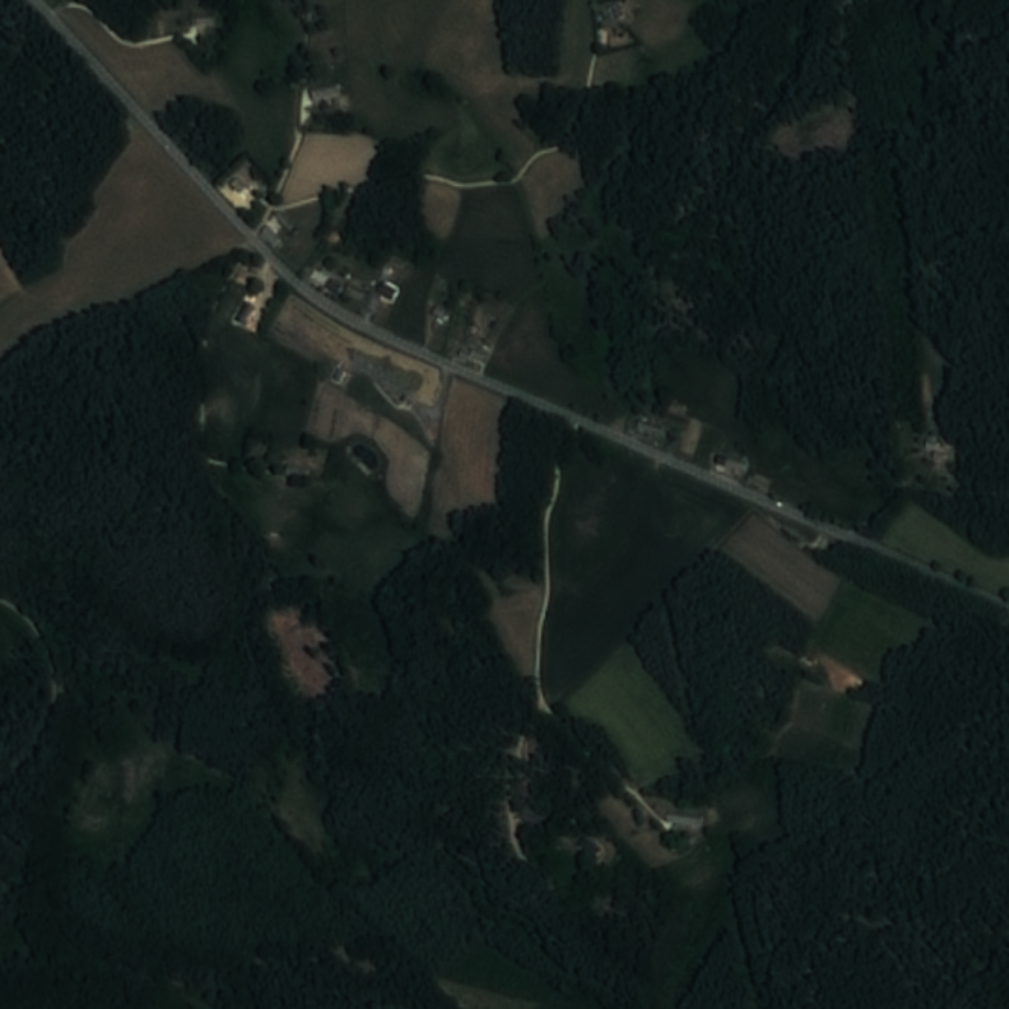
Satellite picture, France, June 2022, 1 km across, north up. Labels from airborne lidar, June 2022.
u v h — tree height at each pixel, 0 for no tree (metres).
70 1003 17
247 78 0
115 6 19
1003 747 10
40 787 24
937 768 22
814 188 28
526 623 0
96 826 0
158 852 18
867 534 18
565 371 0
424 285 0
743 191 35
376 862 14
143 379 34
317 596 21
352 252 9
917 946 10
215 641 18
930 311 23
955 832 22
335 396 0
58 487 23
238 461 16
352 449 0
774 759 11
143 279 0
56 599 17
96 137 11
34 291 0
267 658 29
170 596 23
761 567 0
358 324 0
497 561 20
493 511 12
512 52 23
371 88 0
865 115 11
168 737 20
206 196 0
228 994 18
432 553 16
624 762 15
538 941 13
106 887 17
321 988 27
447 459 0
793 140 0
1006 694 25
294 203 0
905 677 19
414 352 0
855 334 28
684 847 15
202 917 18
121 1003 12
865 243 35
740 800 0
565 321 0
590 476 0
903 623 0
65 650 23
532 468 17
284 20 0
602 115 23
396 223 21
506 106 0
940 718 20
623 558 0
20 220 12
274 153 0
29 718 21
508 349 0
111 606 23
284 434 0
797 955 20
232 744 24
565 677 0
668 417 9
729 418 0
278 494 0
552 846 9
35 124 17
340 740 25
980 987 25
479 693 21
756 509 0
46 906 18
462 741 13
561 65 13
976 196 31
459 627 10
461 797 14
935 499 20
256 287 23
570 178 0
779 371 16
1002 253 30
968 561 0
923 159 28
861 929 21
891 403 21
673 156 27
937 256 26
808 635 15
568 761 17
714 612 21
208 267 10
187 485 28
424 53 0
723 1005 18
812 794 18
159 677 18
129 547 20
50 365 26
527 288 0
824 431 17
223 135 12
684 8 0
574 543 0
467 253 0
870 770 19
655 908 10
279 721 17
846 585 0
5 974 15
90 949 17
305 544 0
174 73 0
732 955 20
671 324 10
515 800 14
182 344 25
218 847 15
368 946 21
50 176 16
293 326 0
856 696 18
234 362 0
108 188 0
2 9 28
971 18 14
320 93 0
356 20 0
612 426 0
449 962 21
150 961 17
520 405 20
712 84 25
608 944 17
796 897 20
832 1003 18
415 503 0
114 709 14
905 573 24
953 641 22
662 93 21
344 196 13
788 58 12
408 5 0
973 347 30
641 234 9
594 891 8
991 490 28
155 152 0
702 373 0
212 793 14
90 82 24
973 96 35
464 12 0
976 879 16
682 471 0
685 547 0
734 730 21
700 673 21
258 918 18
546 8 24
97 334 26
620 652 0
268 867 18
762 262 19
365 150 0
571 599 0
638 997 21
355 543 0
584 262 18
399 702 18
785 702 15
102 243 0
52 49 18
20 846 29
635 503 0
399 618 28
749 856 19
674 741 0
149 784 0
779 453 0
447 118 0
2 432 22
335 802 14
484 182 0
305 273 8
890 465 23
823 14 25
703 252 16
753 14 25
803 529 0
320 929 18
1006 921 22
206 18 0
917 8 6
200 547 21
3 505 21
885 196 6
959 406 23
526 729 13
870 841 19
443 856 16
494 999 0
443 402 0
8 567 23
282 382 0
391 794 16
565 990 26
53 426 23
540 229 0
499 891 23
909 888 19
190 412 25
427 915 24
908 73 12
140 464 31
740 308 15
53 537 11
